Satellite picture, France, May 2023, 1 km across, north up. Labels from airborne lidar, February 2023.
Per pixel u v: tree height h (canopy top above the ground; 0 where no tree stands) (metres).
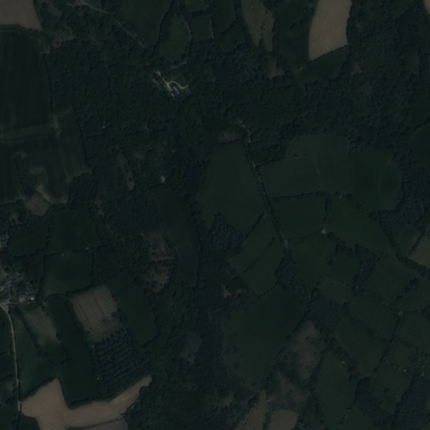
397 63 9
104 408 0
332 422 0
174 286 10
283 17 0
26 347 0
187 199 16
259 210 0
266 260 0
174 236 0
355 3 16
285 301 0
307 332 0
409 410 22
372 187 0
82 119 12
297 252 0
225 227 24
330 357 0
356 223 0
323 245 0
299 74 0
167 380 12
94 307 0
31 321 0
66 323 0
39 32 9
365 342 0
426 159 0
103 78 22
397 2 17
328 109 16
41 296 11
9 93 0
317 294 13
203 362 17
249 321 0
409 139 14
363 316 0
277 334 0
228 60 18
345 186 0
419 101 0
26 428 16
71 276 0
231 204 0
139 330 0
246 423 0
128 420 14
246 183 0
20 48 0
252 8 0
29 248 0
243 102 14
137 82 10
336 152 0
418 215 20
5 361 0
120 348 18
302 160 0
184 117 9
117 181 23
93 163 22
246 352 0
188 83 8
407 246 0
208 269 19
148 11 0
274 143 6
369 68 8
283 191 0
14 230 18
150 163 9
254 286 0
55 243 0
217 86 13
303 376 0
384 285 0
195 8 0
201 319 14
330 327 18
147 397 14
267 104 19
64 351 9
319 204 0
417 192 17
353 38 14
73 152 0
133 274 10
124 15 0
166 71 10
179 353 6
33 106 0
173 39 0
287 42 0
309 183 0
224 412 10
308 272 0
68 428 0
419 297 0
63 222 0
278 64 13
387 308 0
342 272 0
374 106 14
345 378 0
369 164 0
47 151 0
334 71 0
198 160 7
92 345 9
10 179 0
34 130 0
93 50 14
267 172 0
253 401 12
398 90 9
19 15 0
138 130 6
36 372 0
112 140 11
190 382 8
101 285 9
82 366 0
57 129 0
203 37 0
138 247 7
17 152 0
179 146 13
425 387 23
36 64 0
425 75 16
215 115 12
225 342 0
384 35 8
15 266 21
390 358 0
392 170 0
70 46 14
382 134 18
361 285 6
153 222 12
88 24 16
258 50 15
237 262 0
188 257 0
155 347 22
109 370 19
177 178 15
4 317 0
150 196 12
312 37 0
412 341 0
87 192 10
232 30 15
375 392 20
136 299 0
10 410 0
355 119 16
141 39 8
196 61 16
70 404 8
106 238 8
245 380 0
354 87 8
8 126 0
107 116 15
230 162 0
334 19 0
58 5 13
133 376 21
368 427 0
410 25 17
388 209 0
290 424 0
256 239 0
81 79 14
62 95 17
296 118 9
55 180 0
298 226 0
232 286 11
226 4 0
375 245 0
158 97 8
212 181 0
